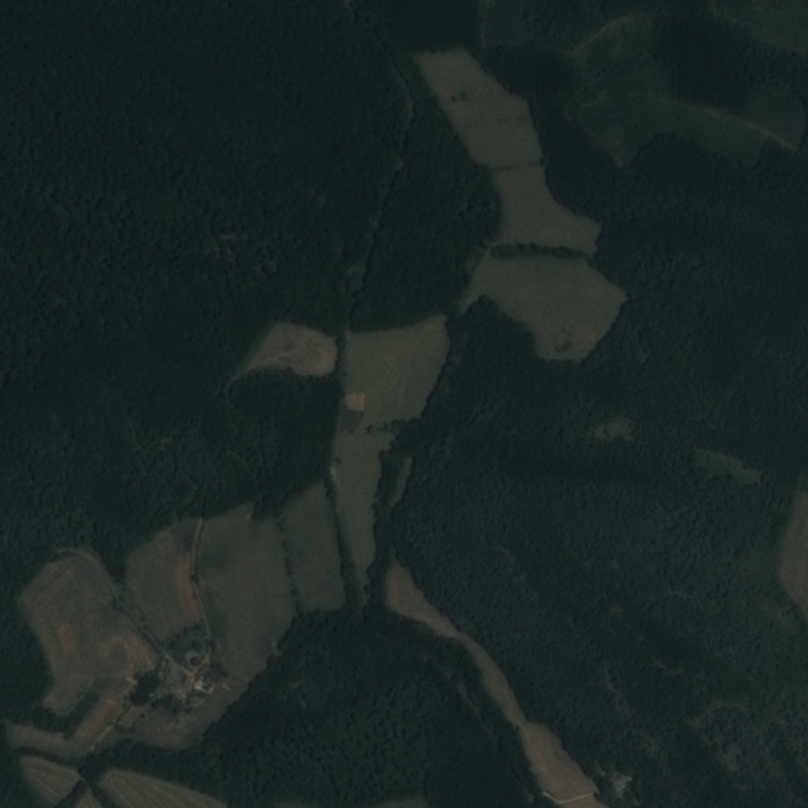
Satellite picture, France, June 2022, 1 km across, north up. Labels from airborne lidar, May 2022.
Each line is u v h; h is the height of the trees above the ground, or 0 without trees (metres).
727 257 12
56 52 16
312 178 19
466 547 17
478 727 7
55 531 15
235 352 13
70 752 0
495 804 14
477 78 0
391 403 0
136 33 14
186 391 16
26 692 13
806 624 7
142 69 14
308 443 11
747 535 10
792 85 18
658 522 12
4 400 24
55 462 18
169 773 21
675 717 8
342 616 20
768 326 9
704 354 9
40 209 27
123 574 12
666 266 20
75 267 25
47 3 23
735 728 9
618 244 20
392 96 16
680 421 7
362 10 17
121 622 0
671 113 0
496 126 0
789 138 0
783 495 12
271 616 0
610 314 0
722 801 11
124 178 22
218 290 25
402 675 17
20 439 21
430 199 19
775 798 9
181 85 17
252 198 25
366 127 19
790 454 9
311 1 16
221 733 18
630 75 0
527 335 11
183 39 15
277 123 14
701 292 14
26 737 0
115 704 0
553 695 16
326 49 19
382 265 22
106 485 16
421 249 22
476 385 20
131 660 0
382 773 14
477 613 20
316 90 22
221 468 11
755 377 10
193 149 19
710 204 10
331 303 15
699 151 16
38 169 22
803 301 8
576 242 0
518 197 0
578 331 0
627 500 16
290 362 0
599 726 16
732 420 9
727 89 7
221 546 0
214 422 16
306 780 15
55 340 28
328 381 8
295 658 11
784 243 18
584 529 14
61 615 0
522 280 0
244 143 15
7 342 26
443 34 8
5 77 27
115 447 14
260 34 19
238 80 15
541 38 10
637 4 12
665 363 13
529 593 12
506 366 14
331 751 14
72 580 0
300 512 0
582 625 12
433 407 17
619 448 10
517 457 14
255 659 0
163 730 0
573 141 14
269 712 13
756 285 15
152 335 20
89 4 14
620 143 0
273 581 0
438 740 15
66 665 0
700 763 9
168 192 23
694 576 8
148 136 19
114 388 15
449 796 16
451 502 13
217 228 22
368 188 23
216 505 9
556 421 9
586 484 8
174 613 0
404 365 0
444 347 0
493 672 0
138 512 16
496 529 8
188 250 23
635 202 18
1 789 12
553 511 16
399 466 14
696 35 11
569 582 9
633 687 13
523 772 14
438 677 18
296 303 22
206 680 7
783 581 0
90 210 17
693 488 13
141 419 15
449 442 22
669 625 15
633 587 11
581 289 0
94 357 26
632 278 16
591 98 0
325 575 0
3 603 11
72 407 23
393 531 14
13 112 26
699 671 7
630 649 8
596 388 16
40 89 22
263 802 15
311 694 15
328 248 18
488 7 0
